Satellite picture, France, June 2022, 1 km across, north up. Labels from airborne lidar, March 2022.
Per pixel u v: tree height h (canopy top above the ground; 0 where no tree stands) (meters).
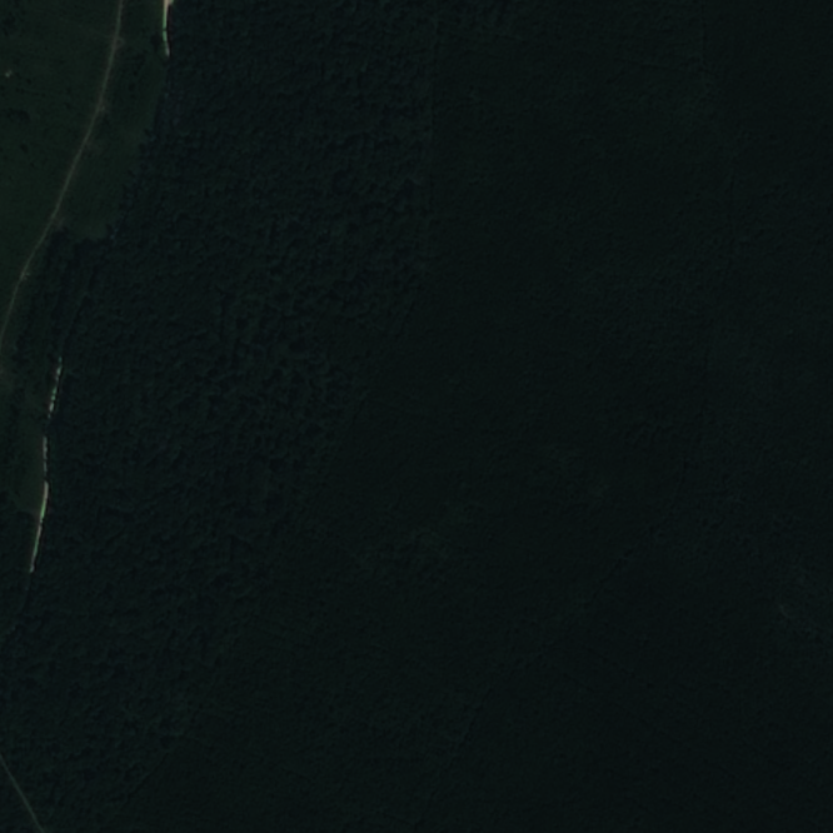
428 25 21
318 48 18
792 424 0
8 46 0
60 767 0
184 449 0
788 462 0
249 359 22
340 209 0
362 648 0
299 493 19
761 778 0
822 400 0
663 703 0
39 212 0
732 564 0
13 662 22
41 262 0
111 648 0
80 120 0
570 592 0
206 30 20
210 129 0
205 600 25
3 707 18
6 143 0
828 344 0
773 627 0
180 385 21
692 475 0
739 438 0
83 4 0
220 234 0
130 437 0
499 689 0
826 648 0
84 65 0
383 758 0
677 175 0
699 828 0
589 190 0
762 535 0
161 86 0
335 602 0
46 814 0
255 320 0
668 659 0
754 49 0
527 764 0
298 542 0
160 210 20
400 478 0
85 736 0
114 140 0
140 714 0
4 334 0
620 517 0
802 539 0
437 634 7
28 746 22
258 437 0
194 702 16
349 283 0
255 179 0
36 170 0
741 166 0
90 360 20
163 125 19
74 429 0
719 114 0
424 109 21
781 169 0
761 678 0
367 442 0
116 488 0
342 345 0
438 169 0
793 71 0
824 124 0
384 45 0
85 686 0
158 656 21
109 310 22
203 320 25
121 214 0
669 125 0
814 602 0
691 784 0
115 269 20
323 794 0
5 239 0
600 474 0
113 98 0
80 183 0
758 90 0
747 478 0
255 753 0
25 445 0
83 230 0
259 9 22
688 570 0
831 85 0
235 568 24
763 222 0
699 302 0
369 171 0
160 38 0
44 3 0
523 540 0
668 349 0
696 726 0
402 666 0
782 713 0
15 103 0
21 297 0
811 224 0
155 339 0
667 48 0
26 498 0
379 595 0
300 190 22
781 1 0
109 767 0
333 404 11
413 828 0
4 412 0
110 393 0
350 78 0
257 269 0
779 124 0
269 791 0
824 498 0
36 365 0
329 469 0
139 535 0
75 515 18
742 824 0
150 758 0
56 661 0
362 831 0
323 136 0
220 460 28
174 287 0
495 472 0
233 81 23
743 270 0
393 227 0
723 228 0
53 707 0
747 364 0
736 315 0
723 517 0
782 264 0
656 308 0
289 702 0
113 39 0
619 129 0
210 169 0
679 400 0
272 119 21
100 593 20
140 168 0
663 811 0
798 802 0
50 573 0
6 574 22
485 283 0
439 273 0
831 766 0
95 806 0
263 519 0
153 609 20
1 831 23
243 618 0
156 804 0
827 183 0
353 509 0
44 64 0
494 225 0
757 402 0
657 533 0
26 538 21
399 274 0
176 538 26
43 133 0
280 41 17
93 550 0
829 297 0
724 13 0
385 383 0
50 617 21
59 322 22
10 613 23
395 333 0
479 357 0
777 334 0
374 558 0
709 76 0
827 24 0
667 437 0
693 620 0
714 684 0
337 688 0
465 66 0
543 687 0
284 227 0
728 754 0
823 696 0
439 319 0
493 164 0
